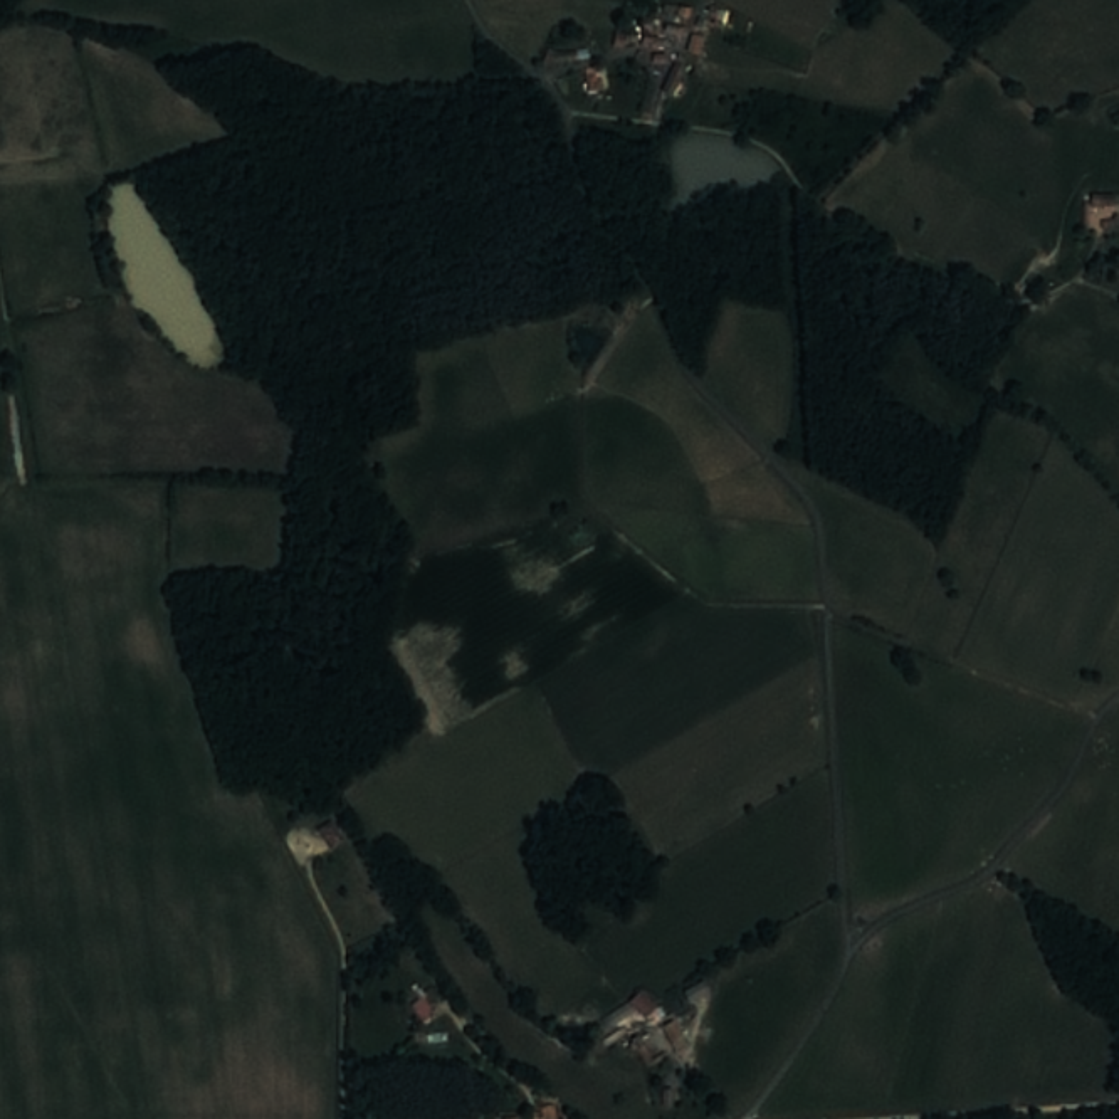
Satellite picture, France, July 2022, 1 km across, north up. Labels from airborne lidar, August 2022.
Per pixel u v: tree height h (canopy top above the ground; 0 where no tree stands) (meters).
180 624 17
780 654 0
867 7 14
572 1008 0
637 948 0
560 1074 0
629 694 0
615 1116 0
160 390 0
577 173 18
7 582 0
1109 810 0
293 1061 0
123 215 0
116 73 0
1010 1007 0
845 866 0
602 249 14
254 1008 0
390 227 14
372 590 29
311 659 25
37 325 0
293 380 22
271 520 0
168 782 0
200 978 0
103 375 0
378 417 17
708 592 0
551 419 0
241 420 0
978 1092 0
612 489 0
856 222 19
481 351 0
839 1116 0
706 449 0
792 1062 0
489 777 0
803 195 13
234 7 0
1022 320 17
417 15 0
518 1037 0
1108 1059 0
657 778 0
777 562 0
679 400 0
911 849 0
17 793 0
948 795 0
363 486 20
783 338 0
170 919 0
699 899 0
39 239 0
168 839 0
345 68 0
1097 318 0
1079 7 0
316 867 13
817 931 0
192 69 24
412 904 20
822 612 0
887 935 0
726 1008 0
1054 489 0
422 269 17
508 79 12
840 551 0
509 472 0
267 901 0
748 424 0
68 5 0
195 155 19
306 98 18
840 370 21
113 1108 0
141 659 0
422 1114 22
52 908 0
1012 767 0
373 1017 0
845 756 0
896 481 20
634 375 0
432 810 0
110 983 0
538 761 0
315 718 26
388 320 21
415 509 0
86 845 0
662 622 0
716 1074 0
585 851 28
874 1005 0
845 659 0
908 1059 0
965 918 0
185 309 0
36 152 0
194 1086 0
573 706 0
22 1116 0
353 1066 7
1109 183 0
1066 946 17
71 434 0
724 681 0
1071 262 0
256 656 23
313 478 20
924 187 0
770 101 8
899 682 0
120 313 0
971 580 0
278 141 14
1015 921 0
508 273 20
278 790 20
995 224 0
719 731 0
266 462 0
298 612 29
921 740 0
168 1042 0
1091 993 19
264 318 19
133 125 0
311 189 11
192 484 9
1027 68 0
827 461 17
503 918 0
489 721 0
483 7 0
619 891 25
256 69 23
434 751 0
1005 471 0
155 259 0
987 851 0
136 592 0
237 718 24
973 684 0
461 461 0
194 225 21
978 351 21
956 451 16
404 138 17
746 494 0
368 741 25
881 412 19
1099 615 0
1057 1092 0
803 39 0
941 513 14
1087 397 0
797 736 0
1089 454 8
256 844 0
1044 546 0
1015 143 0
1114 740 0
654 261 20
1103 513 0
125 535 0
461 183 25
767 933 17
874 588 0
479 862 0
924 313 26
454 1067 23
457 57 0
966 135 0
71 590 0
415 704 22
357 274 19
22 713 0
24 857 0
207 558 0
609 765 0
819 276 17
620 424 0
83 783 0
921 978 0
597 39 0
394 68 0
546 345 0
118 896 0
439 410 0
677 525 0
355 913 0
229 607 25
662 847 0
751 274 18
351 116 11
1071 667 0
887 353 20
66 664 0
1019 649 0
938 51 0
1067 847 0
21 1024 0
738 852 0
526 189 22
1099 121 0
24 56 0
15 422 0
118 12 0
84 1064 0
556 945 0
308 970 0
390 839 13
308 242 17
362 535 25
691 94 0
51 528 0
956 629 0
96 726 0
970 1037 0
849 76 0
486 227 21
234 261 18
